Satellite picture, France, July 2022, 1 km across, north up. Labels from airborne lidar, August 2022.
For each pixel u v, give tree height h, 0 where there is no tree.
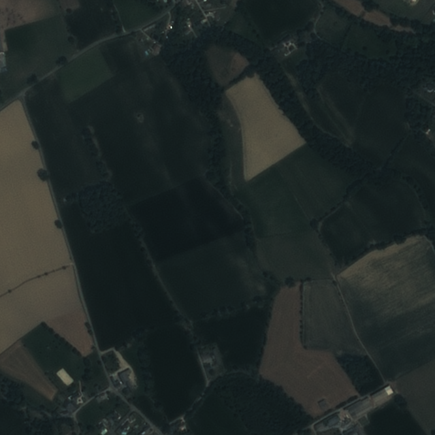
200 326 0
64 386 0
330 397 0
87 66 0
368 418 0
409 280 0
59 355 0
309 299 0
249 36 0
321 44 20
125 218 17
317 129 18
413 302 0
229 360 0
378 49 0
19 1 0
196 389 0
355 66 25
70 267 0
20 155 0
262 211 0
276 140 0
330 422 0
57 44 0
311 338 0
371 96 0
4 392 11
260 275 0
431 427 0
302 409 21
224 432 0
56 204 0
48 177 17
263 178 0
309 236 0
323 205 0
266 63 26
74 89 0
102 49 0
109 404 0
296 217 0
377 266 0
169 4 12
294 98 25
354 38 0
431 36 19
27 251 0
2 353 0
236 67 0
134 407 0
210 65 0
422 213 0
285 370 0
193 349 18
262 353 10
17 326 0
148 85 0
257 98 0
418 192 14
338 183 0
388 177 23
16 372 0
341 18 13
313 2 0
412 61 22
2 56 0
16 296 0
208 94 28
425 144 18
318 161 0
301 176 0
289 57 0
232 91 0
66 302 0
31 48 0
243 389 11
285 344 0
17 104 0
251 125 0
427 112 19
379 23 0
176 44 30
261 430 9
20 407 19
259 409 10
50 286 0
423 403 0
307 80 27
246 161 0
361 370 27
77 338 0
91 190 21
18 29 0
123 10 0
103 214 27
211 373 16
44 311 0
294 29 0
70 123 0
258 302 23
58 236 0
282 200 0
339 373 0
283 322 0
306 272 0
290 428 11
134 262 0
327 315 0
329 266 0
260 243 0
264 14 0
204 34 17
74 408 0
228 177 0
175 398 0
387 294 0
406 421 0
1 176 0
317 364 0
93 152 12
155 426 0
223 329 0
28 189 0
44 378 0
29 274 0
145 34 0
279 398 10
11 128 0
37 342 0
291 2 0
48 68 0
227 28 11
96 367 0
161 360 0
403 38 25
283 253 0
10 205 0
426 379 0
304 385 0
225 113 0
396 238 16
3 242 0
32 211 0
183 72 27
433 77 6
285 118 0
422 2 0
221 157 19
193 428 0
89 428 14
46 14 0
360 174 21
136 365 0
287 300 0
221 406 0
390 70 25
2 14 0
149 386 15
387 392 0
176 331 0
